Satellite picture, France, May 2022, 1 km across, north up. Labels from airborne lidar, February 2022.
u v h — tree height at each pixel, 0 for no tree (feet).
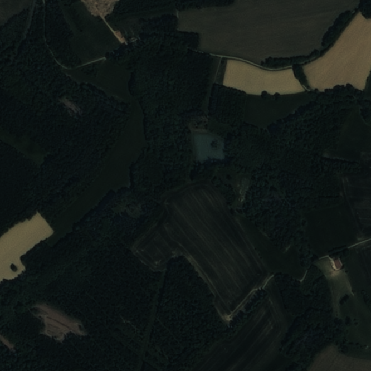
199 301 76
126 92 0
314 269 64
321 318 78
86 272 57
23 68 39
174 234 0
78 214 0
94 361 58
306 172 67
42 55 63
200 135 0
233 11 0
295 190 95
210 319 63
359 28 0
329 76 0
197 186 0
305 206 93
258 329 0
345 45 0
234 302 0
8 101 52
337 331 62
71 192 84
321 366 0
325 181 58
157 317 24
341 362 0
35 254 67
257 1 0
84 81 0
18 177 56
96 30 0
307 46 0
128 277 53
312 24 0
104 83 0
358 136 0
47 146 51
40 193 53
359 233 0
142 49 77
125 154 0
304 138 87
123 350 45
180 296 50
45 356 68
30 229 0
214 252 0
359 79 0
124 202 85
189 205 0
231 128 81
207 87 44
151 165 31
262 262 0
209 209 0
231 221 0
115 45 0
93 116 70
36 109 63
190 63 54
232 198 83
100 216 81
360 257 0
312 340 89
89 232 82
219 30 0
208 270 0
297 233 83
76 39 0
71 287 33
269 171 87
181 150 85
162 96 107
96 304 52
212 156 0
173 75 55
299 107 0
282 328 0
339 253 52
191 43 57
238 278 0
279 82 0
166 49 69
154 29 85
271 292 0
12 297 78
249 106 0
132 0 25
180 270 74
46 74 58
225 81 0
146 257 0
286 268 0
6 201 51
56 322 0
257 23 0
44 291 51
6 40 83
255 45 0
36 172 35
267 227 86
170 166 94
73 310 54
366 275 0
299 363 78
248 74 0
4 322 58
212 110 56
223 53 0
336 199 75
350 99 64
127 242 58
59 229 0
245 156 54
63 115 72
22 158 44
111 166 0
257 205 87
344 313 0
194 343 72
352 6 0
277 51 0
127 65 64
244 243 0
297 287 45
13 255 0
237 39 0
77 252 60
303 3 0
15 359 57
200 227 0
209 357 0
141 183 82
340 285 0
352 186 0
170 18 81
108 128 61
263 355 0
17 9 0
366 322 0
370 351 0
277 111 0
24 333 40
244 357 0
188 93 47
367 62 0
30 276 83
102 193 0
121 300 40
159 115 91
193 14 0
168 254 0
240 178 0
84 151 83
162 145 91
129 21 0
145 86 87
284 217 88
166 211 0
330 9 0
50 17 50
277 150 67
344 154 0
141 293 41
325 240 0
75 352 53
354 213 0
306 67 0
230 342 0
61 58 41
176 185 90
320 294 41
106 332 53
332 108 70
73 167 85
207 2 73
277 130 116
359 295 0
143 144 0
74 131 73
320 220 0
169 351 49
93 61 0
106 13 0
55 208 83
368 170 0
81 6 0
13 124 78
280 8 0
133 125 0
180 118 81
